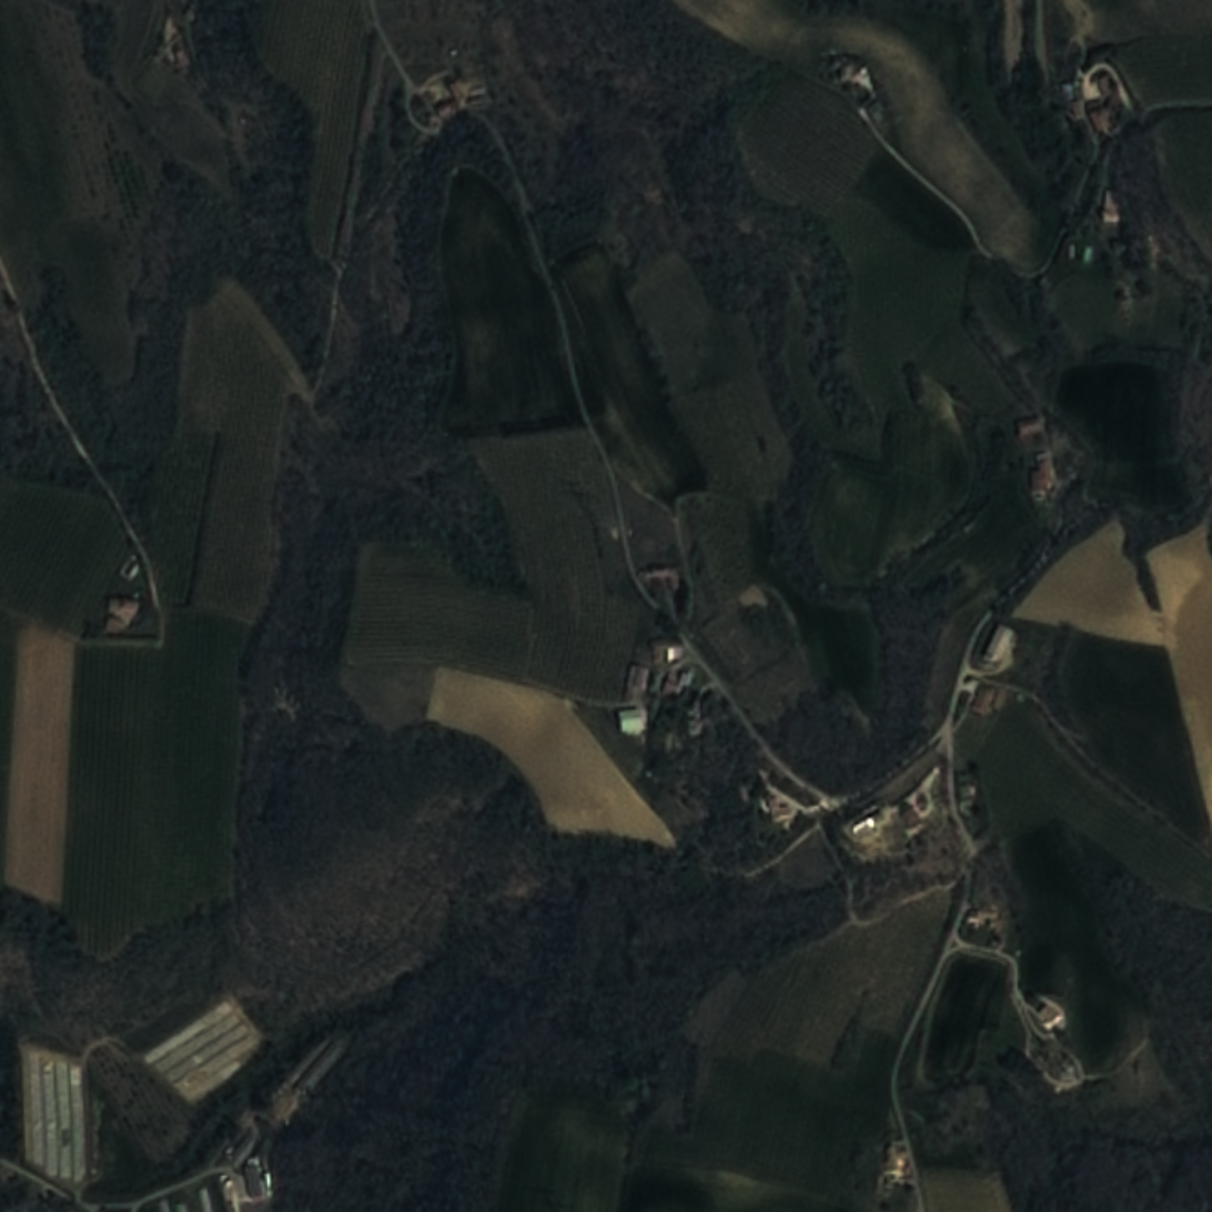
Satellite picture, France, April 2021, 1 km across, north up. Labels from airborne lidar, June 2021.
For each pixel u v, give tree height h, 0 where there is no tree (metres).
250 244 6
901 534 0
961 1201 0
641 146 10
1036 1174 25
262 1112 16
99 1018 9
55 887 0
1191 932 14
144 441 9
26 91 0
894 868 6
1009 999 0
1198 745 0
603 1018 16
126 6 0
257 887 13
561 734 0
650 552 0
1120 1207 14
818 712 18
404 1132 20
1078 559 0
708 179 15
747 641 0
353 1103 16
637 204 12
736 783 6
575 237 14
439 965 17
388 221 8
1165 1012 16
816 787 11
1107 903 10
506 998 17
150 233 7
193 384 0
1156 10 0
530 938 11
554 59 27
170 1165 12
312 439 8
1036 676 0
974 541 0
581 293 0
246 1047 0
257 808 12
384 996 16
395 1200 12
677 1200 0
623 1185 0
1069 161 7
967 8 10
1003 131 0
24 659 0
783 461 0
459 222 0
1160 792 0
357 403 9
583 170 12
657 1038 17
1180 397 9
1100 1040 0
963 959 0
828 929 8
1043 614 0
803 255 14
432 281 13
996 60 7
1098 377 0
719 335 0
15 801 0
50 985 12
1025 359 6
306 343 17
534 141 10
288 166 9
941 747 0
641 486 0
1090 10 0
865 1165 6
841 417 12
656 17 8
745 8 0
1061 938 0
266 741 10
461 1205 22
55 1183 0
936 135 0
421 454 10
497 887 14
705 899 5
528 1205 0
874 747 10
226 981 10
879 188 0
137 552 9
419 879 16
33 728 0
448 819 14
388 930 12
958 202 0
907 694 12
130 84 0
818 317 10
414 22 7
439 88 0
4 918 14
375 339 8
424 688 0
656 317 0
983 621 0
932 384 0
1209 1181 19
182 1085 0
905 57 0
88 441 15
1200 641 0
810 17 8
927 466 0
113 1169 0
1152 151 13
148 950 12
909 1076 11
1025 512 0
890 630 12
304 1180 12
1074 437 8
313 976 9
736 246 12
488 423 0
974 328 15
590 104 20
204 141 0
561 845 14
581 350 0
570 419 0
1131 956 16
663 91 13
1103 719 0
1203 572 0
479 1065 16
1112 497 0
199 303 6
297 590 10
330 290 12
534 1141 0
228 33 6
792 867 0
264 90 7
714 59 7
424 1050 10
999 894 11
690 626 9
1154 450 0
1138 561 6
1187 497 0
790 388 9
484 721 0
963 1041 0
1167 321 0
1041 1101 10
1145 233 16
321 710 13
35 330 9
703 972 21
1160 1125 20
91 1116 0
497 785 18
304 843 12
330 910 13
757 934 14
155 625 16
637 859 21
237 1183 0
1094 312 0
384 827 14
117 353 0
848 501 0
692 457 0
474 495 13
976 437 7
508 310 0
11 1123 14
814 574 23
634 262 10
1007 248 0
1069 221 12
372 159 13
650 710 11
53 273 11
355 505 7
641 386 0
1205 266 14
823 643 0
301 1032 6
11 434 9
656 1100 10
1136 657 0
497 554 8
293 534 13
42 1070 0
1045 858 0
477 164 10
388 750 14
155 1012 11
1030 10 8
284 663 9
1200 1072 18
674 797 11
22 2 0
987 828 6
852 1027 8
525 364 0
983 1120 13
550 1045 16
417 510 14
